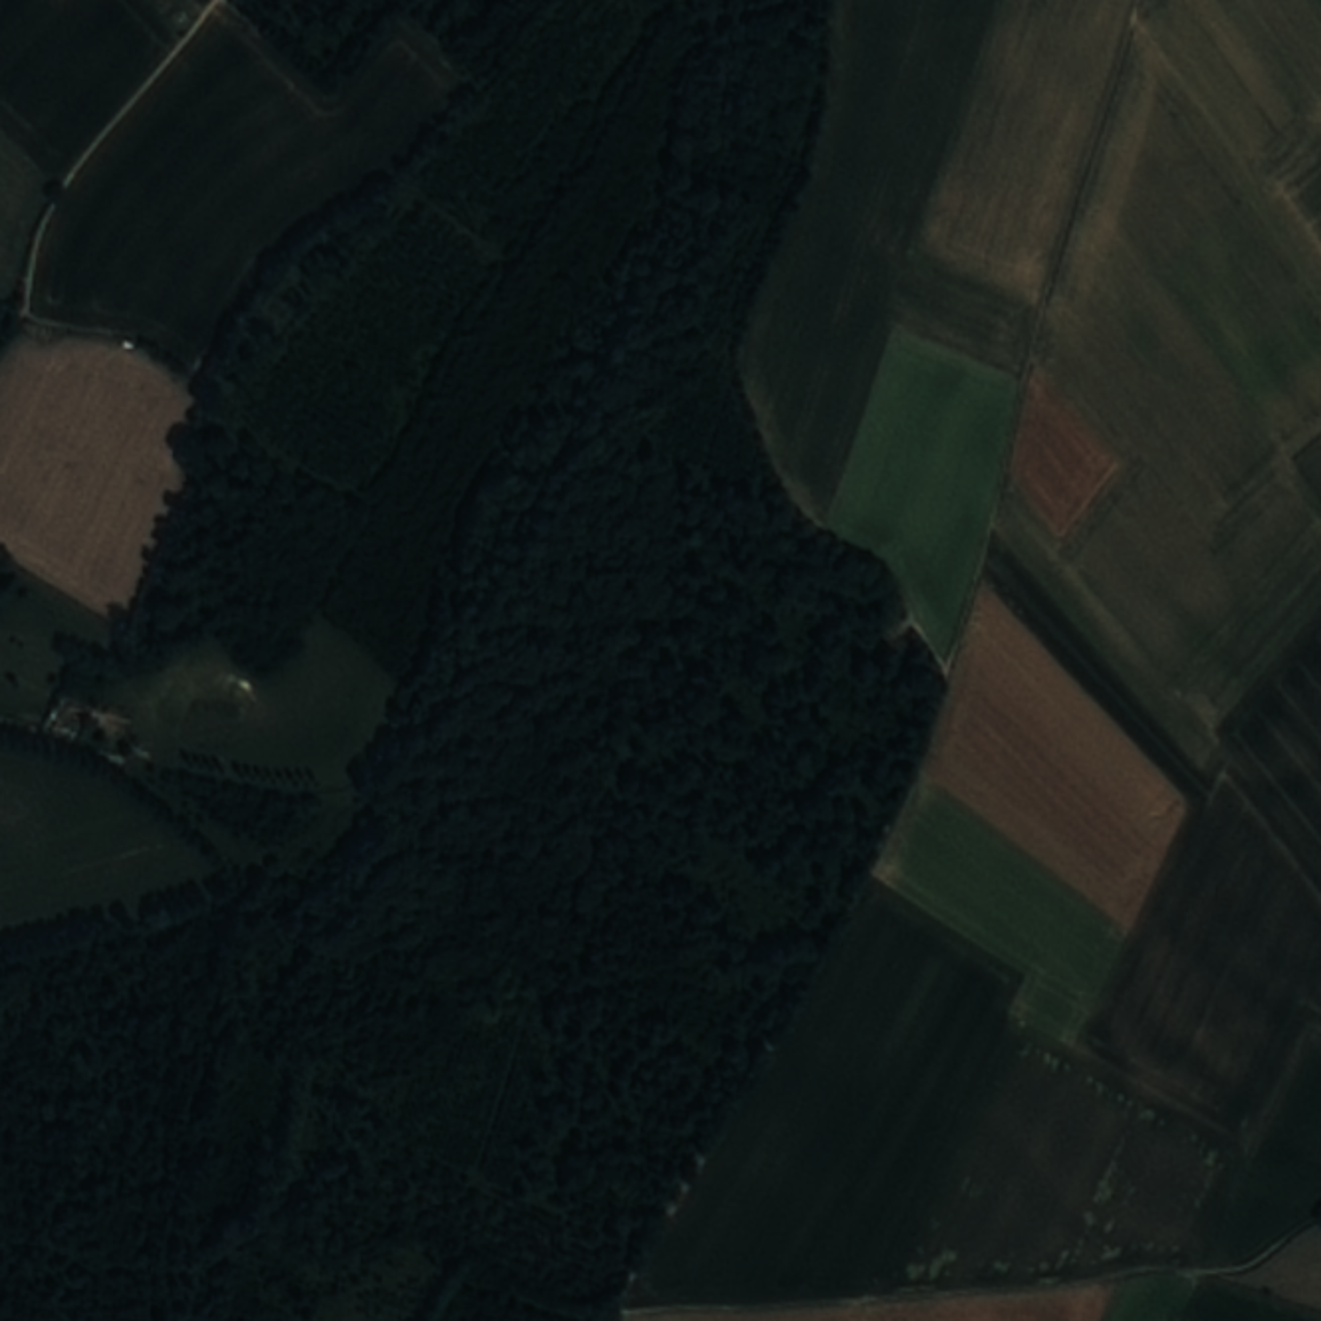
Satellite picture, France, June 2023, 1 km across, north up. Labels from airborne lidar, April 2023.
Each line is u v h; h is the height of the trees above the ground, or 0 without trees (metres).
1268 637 0
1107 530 0
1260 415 0
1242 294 0
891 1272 0
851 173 0
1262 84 0
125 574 0
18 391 0
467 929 21
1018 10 0
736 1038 21
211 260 0
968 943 0
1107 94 0
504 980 26
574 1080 23
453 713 30
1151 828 0
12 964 21
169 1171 14
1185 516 0
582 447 23
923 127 0
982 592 0
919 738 22
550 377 24
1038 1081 0
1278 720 0
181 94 0
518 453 22
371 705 0
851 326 0
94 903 0
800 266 0
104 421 0
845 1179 0
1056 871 0
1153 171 0
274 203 0
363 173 0
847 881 25
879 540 0
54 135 0
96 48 0
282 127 0
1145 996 0
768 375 0
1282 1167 0
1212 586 0
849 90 0
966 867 0
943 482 0
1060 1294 0
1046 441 0
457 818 30
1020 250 0
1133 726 0
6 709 0
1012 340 0
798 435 0
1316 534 0
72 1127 26
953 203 0
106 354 0
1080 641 0
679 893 25
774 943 23
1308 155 0
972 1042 0
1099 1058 0
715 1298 0
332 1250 20
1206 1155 0
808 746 25
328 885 20
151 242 0
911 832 0
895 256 0
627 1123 14
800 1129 0
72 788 0
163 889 0
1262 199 0
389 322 7
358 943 27
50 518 0
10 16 0
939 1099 0
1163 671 0
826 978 0
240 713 0
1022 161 0
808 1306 0
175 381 0
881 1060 0
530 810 25
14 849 0
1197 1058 0
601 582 28
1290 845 0
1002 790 0
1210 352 0
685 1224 0
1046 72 0
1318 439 0
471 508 21
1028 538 0
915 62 0
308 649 0
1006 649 0
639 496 24
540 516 25
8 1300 20
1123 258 0
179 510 22
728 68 22
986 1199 0
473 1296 13
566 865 28
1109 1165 0
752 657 29
